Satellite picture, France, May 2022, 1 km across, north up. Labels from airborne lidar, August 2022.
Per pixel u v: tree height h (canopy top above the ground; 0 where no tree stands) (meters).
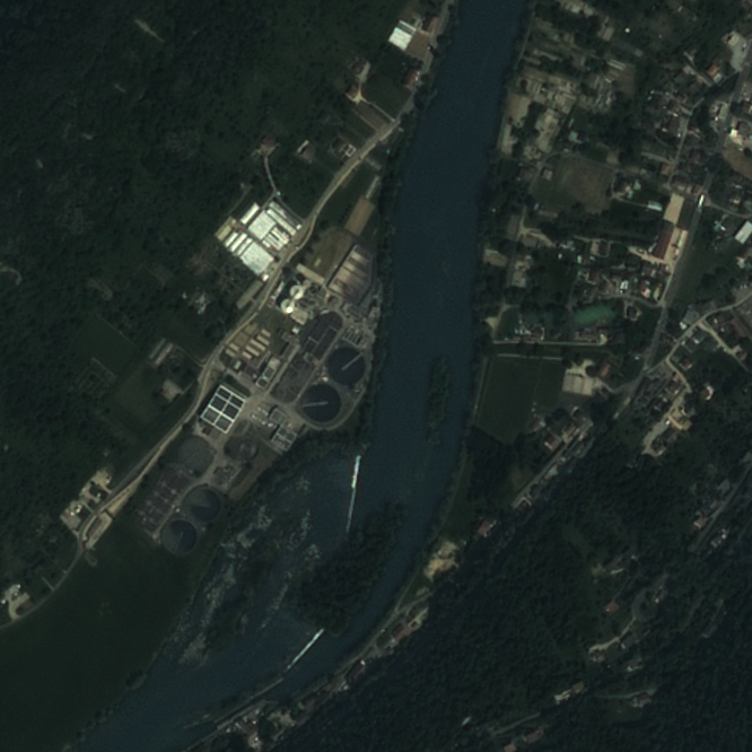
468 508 0
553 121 0
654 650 8
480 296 17
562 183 0
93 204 17
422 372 0
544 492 9
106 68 16
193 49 16
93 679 0
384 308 14
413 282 0
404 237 0
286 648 0
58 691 0
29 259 15
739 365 0
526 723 5
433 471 0
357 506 0
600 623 10
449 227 0
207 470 0
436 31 0
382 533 17
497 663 19
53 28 23
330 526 0
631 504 15
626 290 0
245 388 0
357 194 0
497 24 0
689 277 0
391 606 8
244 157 9
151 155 15
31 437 6
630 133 17
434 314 0
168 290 13
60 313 6
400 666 9
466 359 0
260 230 0
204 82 13
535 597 12
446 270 0
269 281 0
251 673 0
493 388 0
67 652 0
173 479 0
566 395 0
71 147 13
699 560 18
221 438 0
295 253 0
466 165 0
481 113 0
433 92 10
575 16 0
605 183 0
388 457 0
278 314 0
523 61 6
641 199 0
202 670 0
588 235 9
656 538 18
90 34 26
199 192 7
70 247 11
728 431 7
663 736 27
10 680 0
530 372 0
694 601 20
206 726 0
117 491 0
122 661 0
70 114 14
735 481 15
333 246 0
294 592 9
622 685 15
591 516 20
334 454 0
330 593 20
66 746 0
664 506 17
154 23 7
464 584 25
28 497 7
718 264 0
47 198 10
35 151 18
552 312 15
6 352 10
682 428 0
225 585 0
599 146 0
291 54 0
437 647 24
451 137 0
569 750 13
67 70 18
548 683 13
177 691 0
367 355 0
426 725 21
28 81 22
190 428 11
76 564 0
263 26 22
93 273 12
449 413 0
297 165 6
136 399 0
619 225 0
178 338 0
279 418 0
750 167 0
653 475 13
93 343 0
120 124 13
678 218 0
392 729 25
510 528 25
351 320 0
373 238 0
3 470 9
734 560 15
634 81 0
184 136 17
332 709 7
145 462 0
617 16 15
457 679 25
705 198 0
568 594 7
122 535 0
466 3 0
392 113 0
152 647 0
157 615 0
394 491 0
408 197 0
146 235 6
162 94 10
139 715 0
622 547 6
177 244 6
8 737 0
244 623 0
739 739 30
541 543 15
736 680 21
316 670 0
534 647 6
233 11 12
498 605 16
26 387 16
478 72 0
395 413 0
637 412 5
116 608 0
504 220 14
